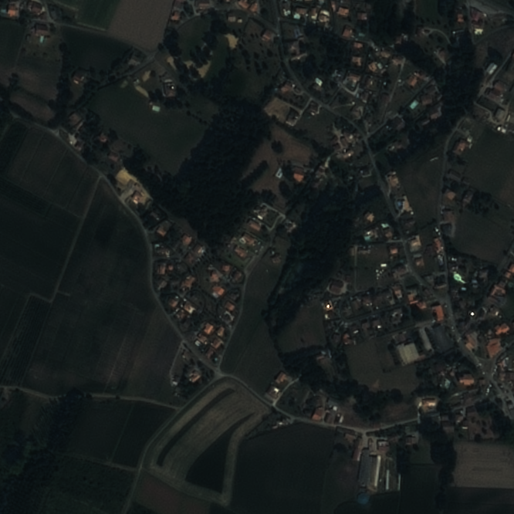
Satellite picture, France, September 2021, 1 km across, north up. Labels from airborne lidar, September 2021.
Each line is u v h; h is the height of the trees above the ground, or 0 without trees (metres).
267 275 0
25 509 16
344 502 0
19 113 17
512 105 0
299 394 0
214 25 13
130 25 0
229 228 13
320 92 7
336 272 0
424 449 0
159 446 0
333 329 6
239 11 0
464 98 23
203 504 0
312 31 21
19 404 0
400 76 0
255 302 0
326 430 0
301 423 0
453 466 17
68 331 0
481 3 0
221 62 0
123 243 0
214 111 0
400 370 0
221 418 0
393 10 9
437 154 0
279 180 0
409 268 0
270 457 0
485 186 0
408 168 0
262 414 0
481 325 9
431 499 0
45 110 0
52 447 15
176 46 28
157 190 22
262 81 0
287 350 0
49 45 0
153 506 0
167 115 0
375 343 0
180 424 0
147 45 0
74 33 0
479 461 0
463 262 7
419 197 0
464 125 0
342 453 13
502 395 0
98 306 0
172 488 0
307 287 10
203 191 22
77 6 0
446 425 0
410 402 0
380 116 0
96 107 0
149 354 0
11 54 0
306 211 9
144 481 0
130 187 0
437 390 9
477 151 0
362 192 14
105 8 0
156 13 0
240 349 0
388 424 0
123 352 0
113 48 0
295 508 0
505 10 0
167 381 0
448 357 11
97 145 15
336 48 22
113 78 8
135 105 0
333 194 10
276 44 7
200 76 11
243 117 23
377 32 17
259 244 0
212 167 21
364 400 19
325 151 7
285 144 0
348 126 8
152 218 11
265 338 0
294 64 8
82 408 20
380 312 0
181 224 0
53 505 0
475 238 0
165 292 6
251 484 0
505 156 0
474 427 0
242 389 0
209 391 0
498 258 0
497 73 0
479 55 0
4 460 0
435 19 0
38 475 15
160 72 0
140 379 0
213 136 19
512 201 0
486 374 0
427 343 0
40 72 0
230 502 0
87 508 0
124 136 0
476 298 9
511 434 24
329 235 28
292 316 16
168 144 0
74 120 0
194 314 7
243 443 0
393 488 0
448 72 12
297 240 29
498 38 0
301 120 0
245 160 23
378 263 0
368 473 0
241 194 17
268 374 0
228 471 0
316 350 10
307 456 0
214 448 0
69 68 15
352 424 0
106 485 0
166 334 0
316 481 0
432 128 9
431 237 0
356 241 8
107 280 0
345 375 10
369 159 0
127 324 0
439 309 0
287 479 0
